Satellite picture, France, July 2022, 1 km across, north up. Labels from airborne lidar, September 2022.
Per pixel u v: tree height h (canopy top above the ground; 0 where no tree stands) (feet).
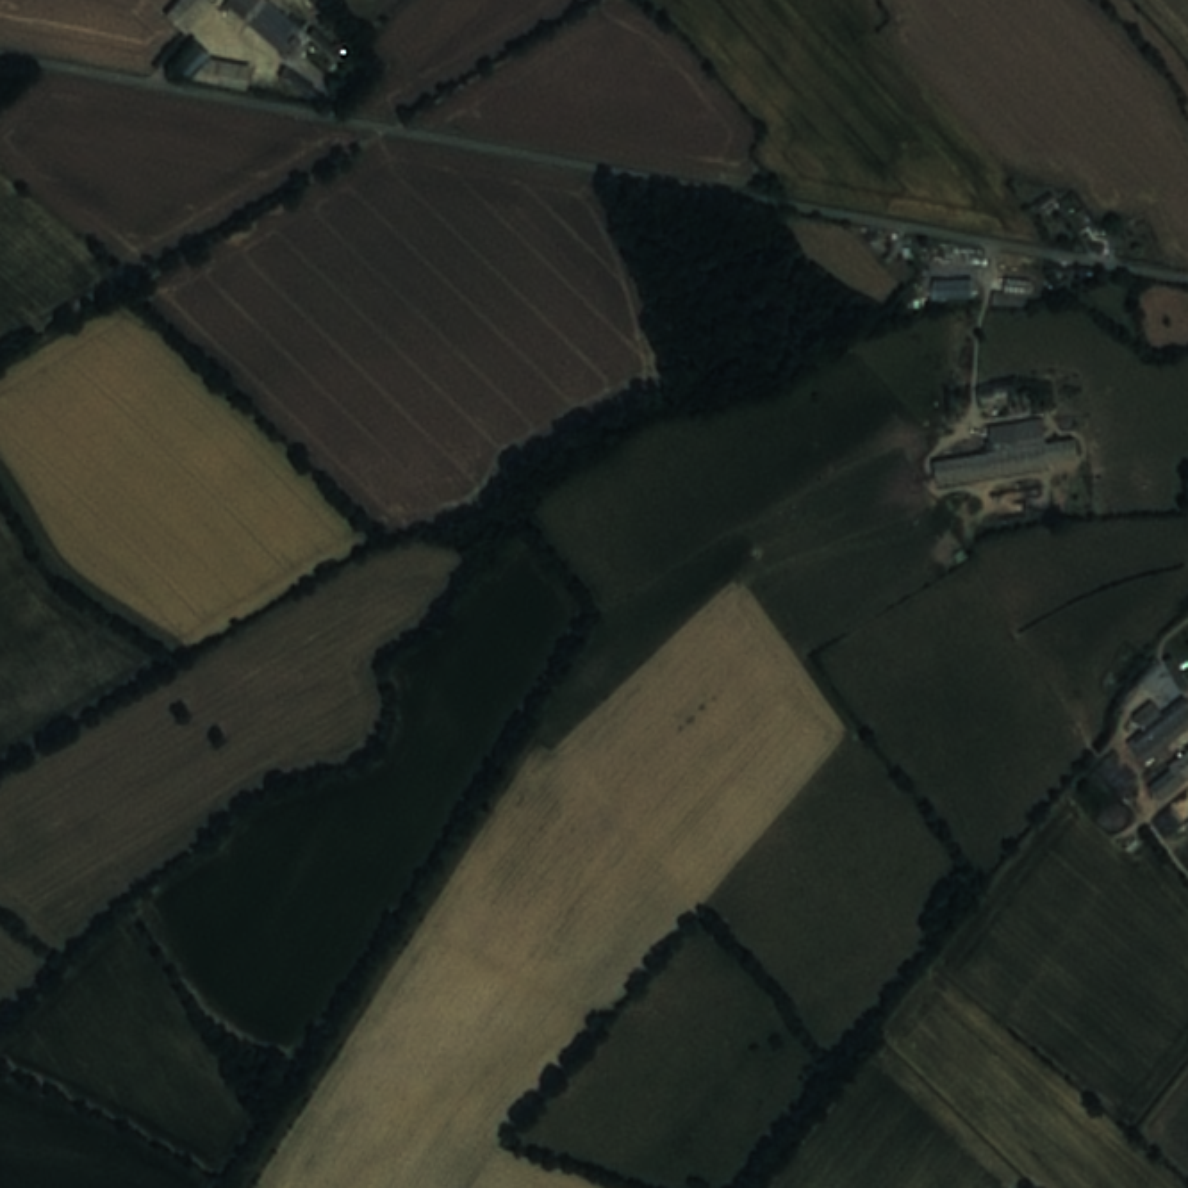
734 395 60
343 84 34
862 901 0
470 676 0
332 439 0
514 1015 0
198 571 0
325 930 0
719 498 0
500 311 0
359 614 0
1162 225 0
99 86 0
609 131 0
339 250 0
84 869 0
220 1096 0
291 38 0
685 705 0
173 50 26
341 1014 49
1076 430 0
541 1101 59
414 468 0
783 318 69
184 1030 0
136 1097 0
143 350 0
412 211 0
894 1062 0
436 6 0
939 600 0
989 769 0
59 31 0
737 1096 0
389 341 0
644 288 57
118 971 0
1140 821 0
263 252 0
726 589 0
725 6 0
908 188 0
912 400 0
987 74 0
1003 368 0
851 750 0
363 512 46
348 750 0
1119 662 0
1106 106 0
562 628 0
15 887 0
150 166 0
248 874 0
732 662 0
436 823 0
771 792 0
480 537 75
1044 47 0
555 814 0
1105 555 0
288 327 0
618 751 0
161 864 0
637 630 0
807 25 0
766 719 0
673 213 64
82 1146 0
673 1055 0
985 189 0
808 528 0
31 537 49
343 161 51
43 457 0
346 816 0
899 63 0
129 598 0
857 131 0
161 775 0
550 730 0
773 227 20
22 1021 68
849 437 0
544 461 73
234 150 0
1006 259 0
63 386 0
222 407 0
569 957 0
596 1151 0
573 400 0
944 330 0
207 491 0
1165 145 0
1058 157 0
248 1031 0
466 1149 0
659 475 0
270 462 0
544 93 0
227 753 0
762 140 30
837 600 0
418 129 0
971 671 0
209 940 0
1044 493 0
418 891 31
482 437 0
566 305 0
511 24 0
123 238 0
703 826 0
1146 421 0
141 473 0
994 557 0
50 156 0
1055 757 0
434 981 0
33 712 0
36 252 0
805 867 0
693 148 0
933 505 0
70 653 0
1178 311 0
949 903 45
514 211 0
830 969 0
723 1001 0
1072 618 0
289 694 0
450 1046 0
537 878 0
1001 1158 0
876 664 0
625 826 0
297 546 0
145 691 38
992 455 0
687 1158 0
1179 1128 0
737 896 0
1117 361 0
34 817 0
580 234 0
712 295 84
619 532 0
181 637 0
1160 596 0
